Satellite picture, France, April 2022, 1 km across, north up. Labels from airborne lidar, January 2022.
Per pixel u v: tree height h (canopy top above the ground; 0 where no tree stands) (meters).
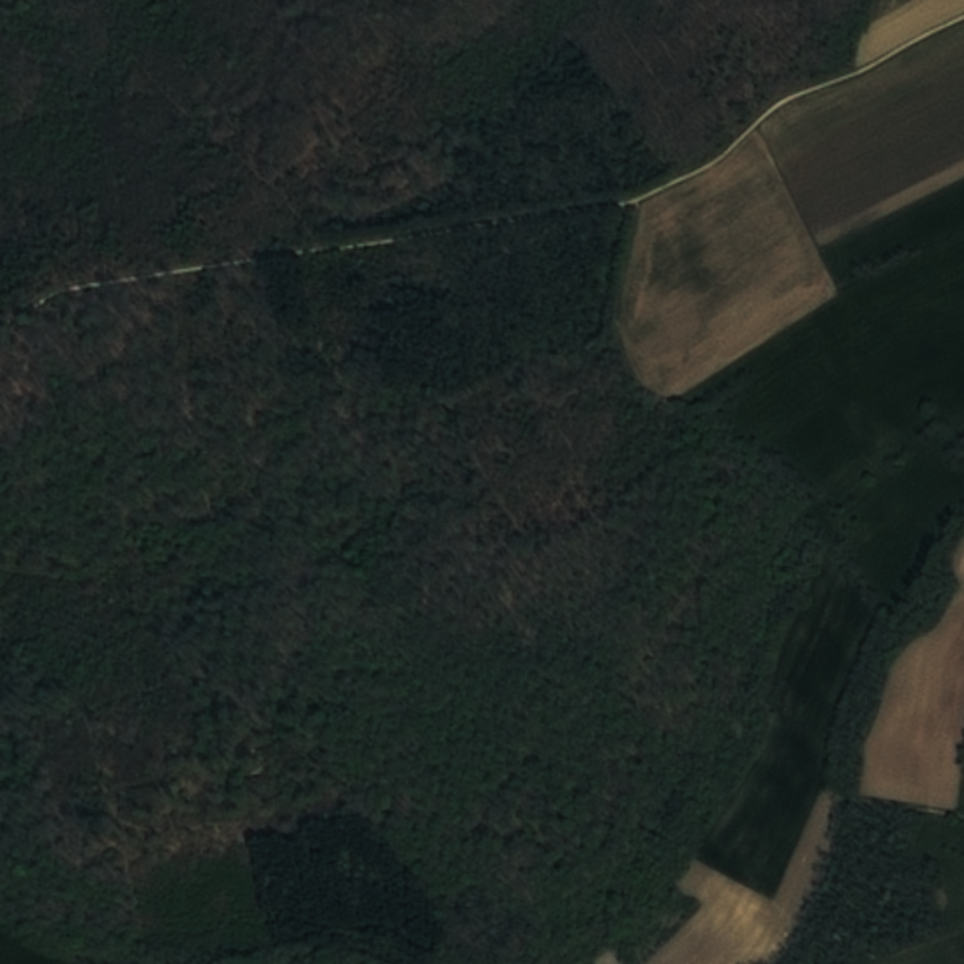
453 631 22
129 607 8
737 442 14
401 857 20
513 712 26
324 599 23
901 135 0
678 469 26
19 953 0
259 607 25
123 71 16
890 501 0
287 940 21
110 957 34
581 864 25
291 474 30
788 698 0
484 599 23
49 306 8
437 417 24
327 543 21
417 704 25
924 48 0
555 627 16
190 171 9
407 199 21
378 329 15
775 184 0
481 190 16
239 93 11
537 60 12
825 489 0
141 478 28
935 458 0
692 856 20
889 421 0
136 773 10
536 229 17
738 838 0
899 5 0
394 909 26
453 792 26
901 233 0
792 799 0
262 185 8
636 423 9
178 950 12
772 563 23
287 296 24
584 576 16
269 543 23
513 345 17
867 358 0
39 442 30
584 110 19
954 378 0
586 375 13
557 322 14
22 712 29
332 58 20
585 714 21
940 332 0
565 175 18
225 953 8
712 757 15
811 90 0
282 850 28
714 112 16
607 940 15
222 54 10
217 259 5
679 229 0
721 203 0
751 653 18
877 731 0
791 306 0
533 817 26
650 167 8
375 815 27
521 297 20
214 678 27
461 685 23
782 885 0
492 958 26
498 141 17
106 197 10
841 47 17
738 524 25
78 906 26
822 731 0
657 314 0
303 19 6
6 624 8
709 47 12
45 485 26
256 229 8
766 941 0
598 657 21
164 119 8
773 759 0
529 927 27
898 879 20
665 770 29
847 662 0
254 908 11
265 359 26
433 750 25
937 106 0
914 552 0
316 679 24
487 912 27
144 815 28
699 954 0
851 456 0
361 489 19
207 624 25
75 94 21
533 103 18
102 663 8
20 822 28
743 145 0
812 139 0
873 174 0
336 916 28
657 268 0
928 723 0
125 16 9
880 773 0
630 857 24
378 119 8
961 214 0
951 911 0
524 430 9
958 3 0
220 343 12
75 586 8
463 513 19
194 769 30
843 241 0
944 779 0
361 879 22
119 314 29
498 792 25
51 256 8
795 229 0
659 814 25
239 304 29
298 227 6
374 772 23
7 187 10
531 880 26
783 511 23
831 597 0
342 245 16
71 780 9
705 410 16
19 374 28
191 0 11
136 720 11
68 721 9
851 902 26
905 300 0
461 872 22
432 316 24
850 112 0
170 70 10
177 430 29
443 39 19
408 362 22
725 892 0
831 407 0
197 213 7
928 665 0
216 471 27
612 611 25
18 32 13
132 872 9
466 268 20
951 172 0
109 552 31
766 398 0
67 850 28
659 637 29
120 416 26
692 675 25
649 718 25
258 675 28
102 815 7
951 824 8
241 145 8
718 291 0
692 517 27
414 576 23
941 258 0
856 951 18
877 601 16
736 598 23
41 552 27
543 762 22
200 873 8
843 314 0
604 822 28
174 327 31
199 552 24
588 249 14
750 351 0
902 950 16
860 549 0
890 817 19
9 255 13
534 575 24
